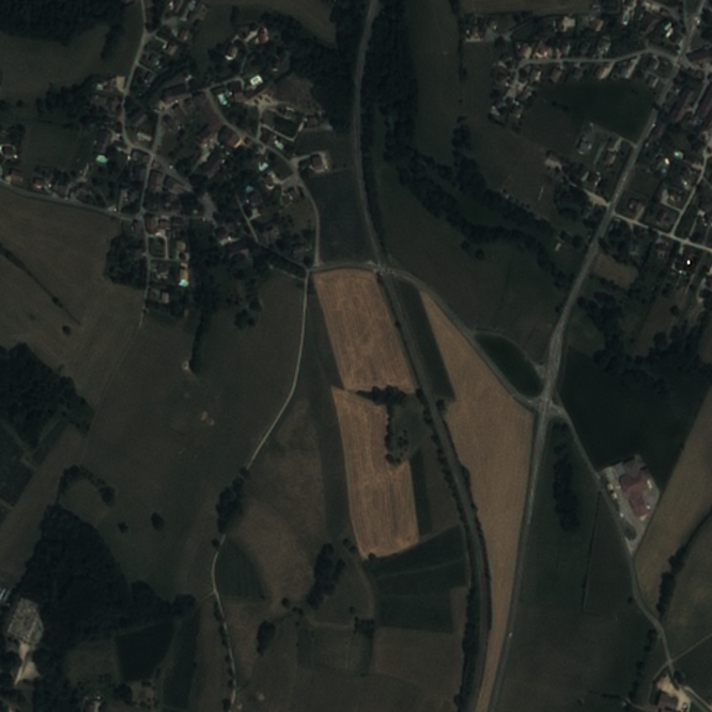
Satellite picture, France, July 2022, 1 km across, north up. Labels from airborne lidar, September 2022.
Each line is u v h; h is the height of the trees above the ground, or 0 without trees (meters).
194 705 0
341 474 0
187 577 0
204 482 0
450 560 0
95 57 0
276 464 0
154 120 6
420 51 0
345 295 0
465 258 0
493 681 0
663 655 0
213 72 6
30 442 9
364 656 0
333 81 13
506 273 0
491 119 10
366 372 0
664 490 0
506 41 13
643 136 0
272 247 8
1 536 0
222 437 0
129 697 15
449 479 13
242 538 0
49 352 0
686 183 0
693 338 12
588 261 0
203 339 12
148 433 0
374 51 17
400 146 15
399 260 0
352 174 0
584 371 0
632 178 0
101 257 0
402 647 0
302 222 0
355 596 0
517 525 0
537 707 0
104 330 0
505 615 0
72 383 12
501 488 0
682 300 0
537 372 0
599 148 0
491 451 0
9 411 9
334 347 0
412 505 0
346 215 0
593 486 0
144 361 0
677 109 0
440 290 0
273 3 0
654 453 0
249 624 0
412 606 0
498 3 0
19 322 0
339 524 0
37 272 0
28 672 0
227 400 0
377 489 0
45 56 0
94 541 23
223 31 0
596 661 0
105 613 12
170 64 10
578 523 18
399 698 0
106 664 0
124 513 0
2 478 0
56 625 20
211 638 0
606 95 0
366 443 0
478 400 0
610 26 6
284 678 0
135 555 0
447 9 0
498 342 0
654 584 0
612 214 0
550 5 0
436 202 19
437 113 0
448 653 0
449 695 0
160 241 10
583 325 0
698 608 0
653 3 0
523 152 0
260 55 13
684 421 0
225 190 6
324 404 0
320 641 0
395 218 0
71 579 21
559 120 0
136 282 8
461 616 0
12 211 0
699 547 0
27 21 22
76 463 0
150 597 23
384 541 0
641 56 0
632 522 0
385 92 20
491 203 21
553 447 0
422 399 17
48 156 0
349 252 0
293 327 0
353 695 0
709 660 0
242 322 15
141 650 0
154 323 0
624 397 0
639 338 0
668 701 0
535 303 0
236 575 0
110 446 0
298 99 0
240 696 0
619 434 0
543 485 0
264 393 0
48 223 0
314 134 0
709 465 0
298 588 0
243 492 13
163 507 0
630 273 0
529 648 0
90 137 0
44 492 0
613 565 0
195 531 0
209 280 7
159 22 10
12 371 17
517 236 21
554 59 0
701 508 0
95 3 25
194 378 0
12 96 0
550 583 0
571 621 0
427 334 0
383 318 0
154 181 0
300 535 0
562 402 0
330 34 0
